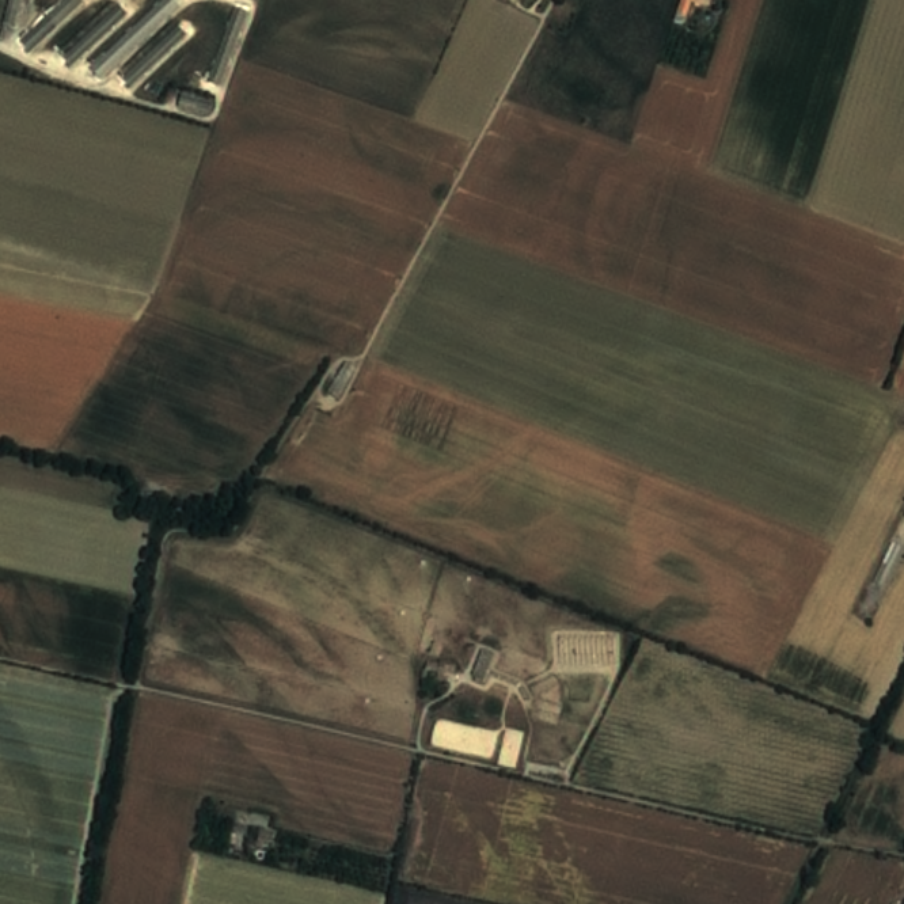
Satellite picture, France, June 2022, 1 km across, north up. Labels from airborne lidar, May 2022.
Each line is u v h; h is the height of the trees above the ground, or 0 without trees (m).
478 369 0
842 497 0
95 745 0
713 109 0
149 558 17
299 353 0
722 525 0
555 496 0
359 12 0
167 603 0
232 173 0
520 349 0
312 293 0
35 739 0
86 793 0
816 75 0
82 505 0
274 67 0
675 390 0
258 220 0
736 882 0
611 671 0
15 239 0
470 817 0
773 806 0
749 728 0
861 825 0
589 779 0
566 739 0
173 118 9
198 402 0
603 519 0
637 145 0
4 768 0
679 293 0
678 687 0
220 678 0
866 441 0
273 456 11
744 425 0
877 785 0
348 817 0
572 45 0
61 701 0
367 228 0
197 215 0
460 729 0
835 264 0
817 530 0
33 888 0
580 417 0
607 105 0
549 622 0
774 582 0
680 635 0
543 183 0
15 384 0
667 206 0
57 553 0
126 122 0
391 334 0
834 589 0
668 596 0
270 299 0
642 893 0
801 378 0
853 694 0
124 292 0
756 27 0
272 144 0
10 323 0
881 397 0
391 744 0
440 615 0
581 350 0
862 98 0
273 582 0
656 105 0
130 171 0
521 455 0
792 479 0
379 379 0
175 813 0
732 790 0
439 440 0
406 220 0
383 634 0
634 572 0
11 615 0
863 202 0
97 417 0
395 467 0
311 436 0
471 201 0
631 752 0
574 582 0
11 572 0
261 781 0
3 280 0
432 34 0
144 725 0
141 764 0
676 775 0
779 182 0
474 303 0
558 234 0
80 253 0
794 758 0
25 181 0
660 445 0
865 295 0
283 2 0
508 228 0
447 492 0
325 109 0
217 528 17
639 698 0
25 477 0
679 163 0
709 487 0
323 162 0
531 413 0
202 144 0
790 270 0
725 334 0
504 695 0
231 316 0
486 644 0
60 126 0
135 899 0
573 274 0
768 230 0
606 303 0
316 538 0
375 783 0
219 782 0
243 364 0
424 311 0
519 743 0
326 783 0
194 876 0
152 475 0
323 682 0
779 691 8
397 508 0
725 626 0
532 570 0
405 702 0
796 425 0
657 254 0
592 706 0
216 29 0
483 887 0
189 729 0
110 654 0
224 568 0
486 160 0
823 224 0
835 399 0
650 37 0
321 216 0
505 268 0
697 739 0
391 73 0
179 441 0
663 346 0
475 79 0
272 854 11
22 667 6
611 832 0
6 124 0
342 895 0
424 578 0
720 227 0
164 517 11
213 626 0
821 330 0
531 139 0
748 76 0
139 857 0
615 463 0
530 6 0
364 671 0
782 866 0
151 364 0
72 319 0
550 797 0
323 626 0
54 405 0
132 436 0
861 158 0
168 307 0
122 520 14
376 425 0
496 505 0
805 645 0
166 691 0
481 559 0
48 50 0
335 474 0
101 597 0
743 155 0
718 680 0
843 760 0
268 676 0
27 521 0
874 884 0
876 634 0
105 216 0
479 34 0
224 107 0
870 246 0
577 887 0
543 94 0
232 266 0
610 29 0
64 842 0
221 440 0
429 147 0
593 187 0
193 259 0
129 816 0
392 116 0
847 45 0
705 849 0
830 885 0
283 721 0
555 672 0
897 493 0
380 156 0
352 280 0
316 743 0
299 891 0
